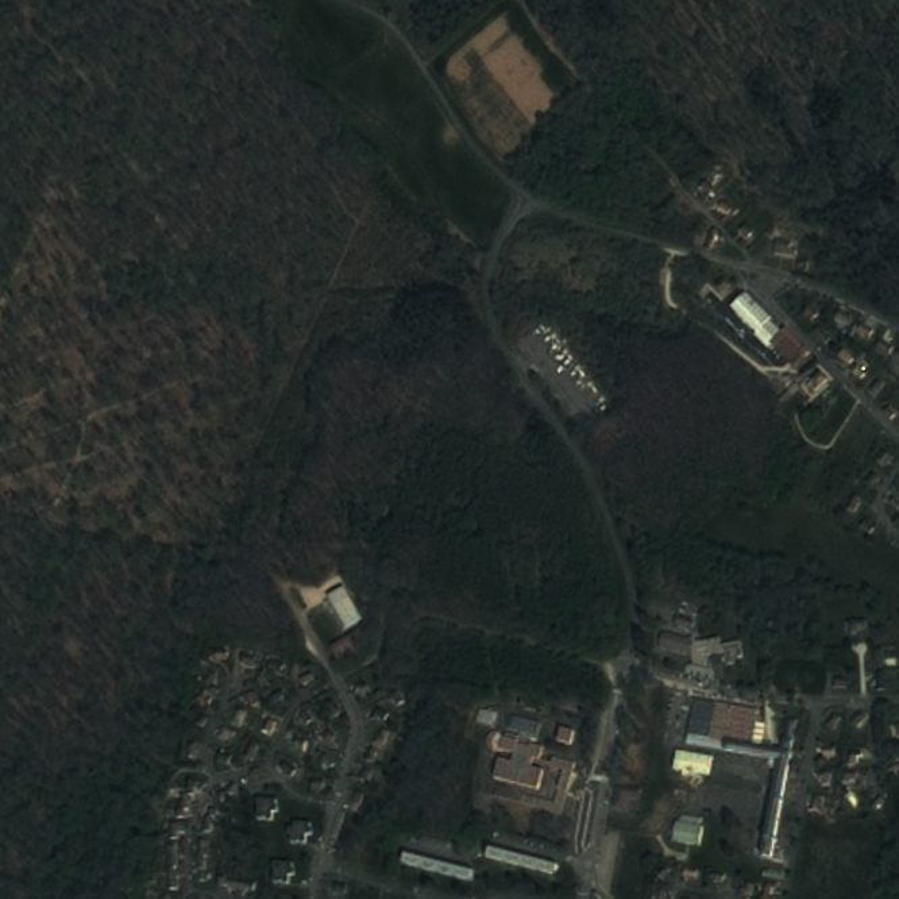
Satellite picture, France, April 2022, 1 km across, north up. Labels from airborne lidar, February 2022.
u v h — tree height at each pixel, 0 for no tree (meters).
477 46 0
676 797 0
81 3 26
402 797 31
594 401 0
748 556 15
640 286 0
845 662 0
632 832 0
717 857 0
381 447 17
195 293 32
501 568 21
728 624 14
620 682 0
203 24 29
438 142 0
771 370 0
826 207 27
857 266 25
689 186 10
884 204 26
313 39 0
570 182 27
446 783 30
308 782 0
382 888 0
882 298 16
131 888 26
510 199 0
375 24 0
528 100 0
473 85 0
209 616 30
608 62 24
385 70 0
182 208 30
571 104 19
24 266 31
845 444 0
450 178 0
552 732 0
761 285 0
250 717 0
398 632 27
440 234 7
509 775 0
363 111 0
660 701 0
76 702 30
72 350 31
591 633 26
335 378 29
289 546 25
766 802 0
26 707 31
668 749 0
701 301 0
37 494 0
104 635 27
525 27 0
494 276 0
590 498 16
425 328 25
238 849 24
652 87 28
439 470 17
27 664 28
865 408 0
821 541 0
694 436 27
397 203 9
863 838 0
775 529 0
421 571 21
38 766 32
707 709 0
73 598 30
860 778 0
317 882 0
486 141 0
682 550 28
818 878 0
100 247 31
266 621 31
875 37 25
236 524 20
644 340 20
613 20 30
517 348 0
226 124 26
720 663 10
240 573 29
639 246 10
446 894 0
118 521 27
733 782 0
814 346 0
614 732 0
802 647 11
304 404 0
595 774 0
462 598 20
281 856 0
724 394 21
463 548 21
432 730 24
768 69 23
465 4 28
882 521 0
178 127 30
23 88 23
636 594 0
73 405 0
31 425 0
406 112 0
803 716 6
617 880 0
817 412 16
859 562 0
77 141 27
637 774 28
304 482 18
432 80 0
